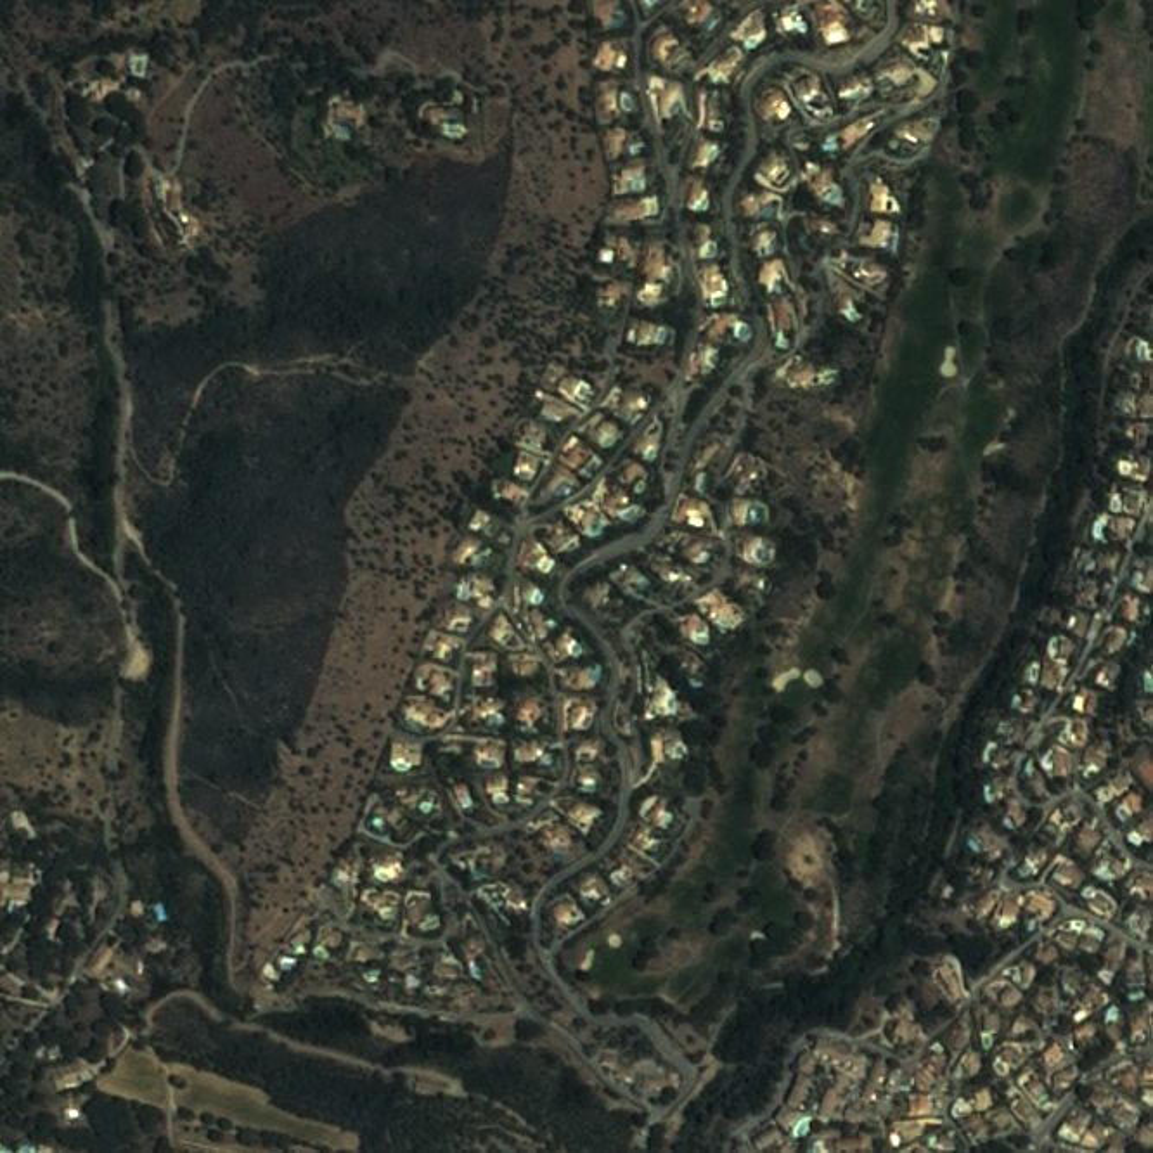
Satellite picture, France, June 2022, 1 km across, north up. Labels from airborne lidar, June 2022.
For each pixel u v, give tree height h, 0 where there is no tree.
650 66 7
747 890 8
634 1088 8
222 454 9
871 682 0
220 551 8
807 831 0
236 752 5
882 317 11
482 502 8
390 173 9
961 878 11
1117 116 0
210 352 6
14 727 0
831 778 0
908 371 0
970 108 12
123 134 12
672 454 10
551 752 7
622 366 8
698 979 0
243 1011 7
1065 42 0
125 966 0
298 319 10
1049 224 6
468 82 8
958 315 0
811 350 6
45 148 8
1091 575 7
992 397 0
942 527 0
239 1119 0
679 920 0
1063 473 10
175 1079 8
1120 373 7
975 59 11
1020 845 11
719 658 7
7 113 7
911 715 0
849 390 10
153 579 6
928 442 7
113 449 7
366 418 8
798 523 8
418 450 0
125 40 10
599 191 0
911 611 0
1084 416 12
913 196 7
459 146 6
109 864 8
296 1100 8
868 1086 0
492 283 7
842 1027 8
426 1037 8
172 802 0
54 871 13
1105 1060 10
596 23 9
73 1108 0
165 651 6
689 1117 9
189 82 0
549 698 6
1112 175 0
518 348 7
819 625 0
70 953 10
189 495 6
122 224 12
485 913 7
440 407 0
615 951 0
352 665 0
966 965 8
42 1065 8
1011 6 0
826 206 6
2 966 11
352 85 11
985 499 7
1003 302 0
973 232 0
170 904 6
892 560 0
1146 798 6
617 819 7
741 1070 9
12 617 0
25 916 9
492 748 0
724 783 8
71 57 9
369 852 7
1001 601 0
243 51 10
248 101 7
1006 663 13
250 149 0
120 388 6
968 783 10
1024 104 0
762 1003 13
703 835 0
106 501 11
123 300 9
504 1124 6
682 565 8
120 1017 10
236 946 0
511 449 8
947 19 6
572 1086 9
